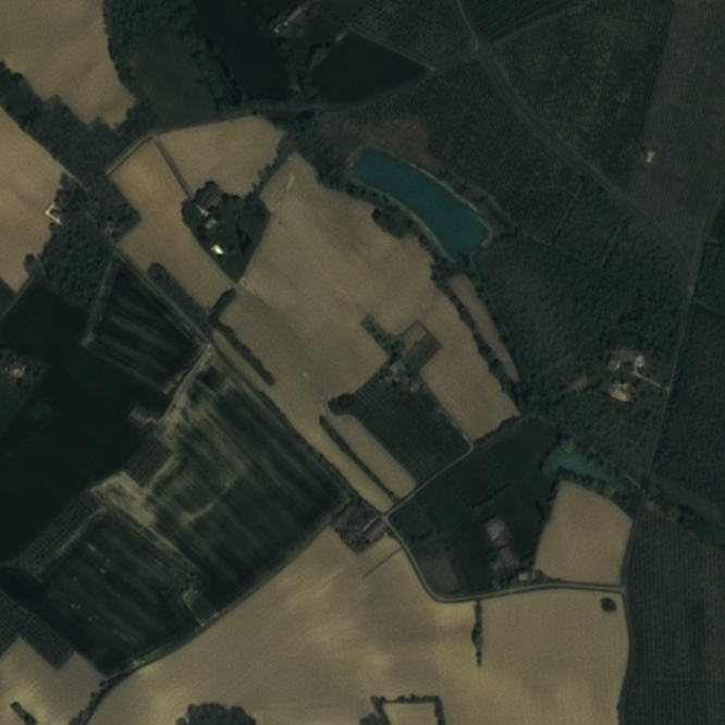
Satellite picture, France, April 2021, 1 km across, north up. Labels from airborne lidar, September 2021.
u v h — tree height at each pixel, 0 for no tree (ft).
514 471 0
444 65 0
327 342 0
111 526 0
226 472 0
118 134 38
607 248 32
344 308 0
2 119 0
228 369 0
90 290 52
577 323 39
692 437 31
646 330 50
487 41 0
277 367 0
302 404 0
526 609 0
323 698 0
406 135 0
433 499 0
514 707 0
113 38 60
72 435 0
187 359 0
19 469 0
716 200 0
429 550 0
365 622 0
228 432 0
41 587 0
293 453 0
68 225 40
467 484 0
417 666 0
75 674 0
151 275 37
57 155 41
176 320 0
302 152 44
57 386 0
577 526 0
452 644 0
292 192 0
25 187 0
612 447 22
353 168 0
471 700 0
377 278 0
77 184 24
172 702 0
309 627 0
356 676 0
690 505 0
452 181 50
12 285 0
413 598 0
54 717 0
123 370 0
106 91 0
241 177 0
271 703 0
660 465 43
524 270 20
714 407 30
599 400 30
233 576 0
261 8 0
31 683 0
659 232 0
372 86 0
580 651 0
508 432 49
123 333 0
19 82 56
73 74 0
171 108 0
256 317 0
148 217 0
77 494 0
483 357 48
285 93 0
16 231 0
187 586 22
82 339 0
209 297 0
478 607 27
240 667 0
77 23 0
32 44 0
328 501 0
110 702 0
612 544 0
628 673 0
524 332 33
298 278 0
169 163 0
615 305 47
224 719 59
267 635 0
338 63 0
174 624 0
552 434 0
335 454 0
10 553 0
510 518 0
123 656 0
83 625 0
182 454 0
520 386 34
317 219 0
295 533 0
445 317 0
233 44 0
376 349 0
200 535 0
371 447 0
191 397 0
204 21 0
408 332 0
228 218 0
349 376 0
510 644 0
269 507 0
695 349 31
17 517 0
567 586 0
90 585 0
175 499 0
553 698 0
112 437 0
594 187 27
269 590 0
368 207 0
